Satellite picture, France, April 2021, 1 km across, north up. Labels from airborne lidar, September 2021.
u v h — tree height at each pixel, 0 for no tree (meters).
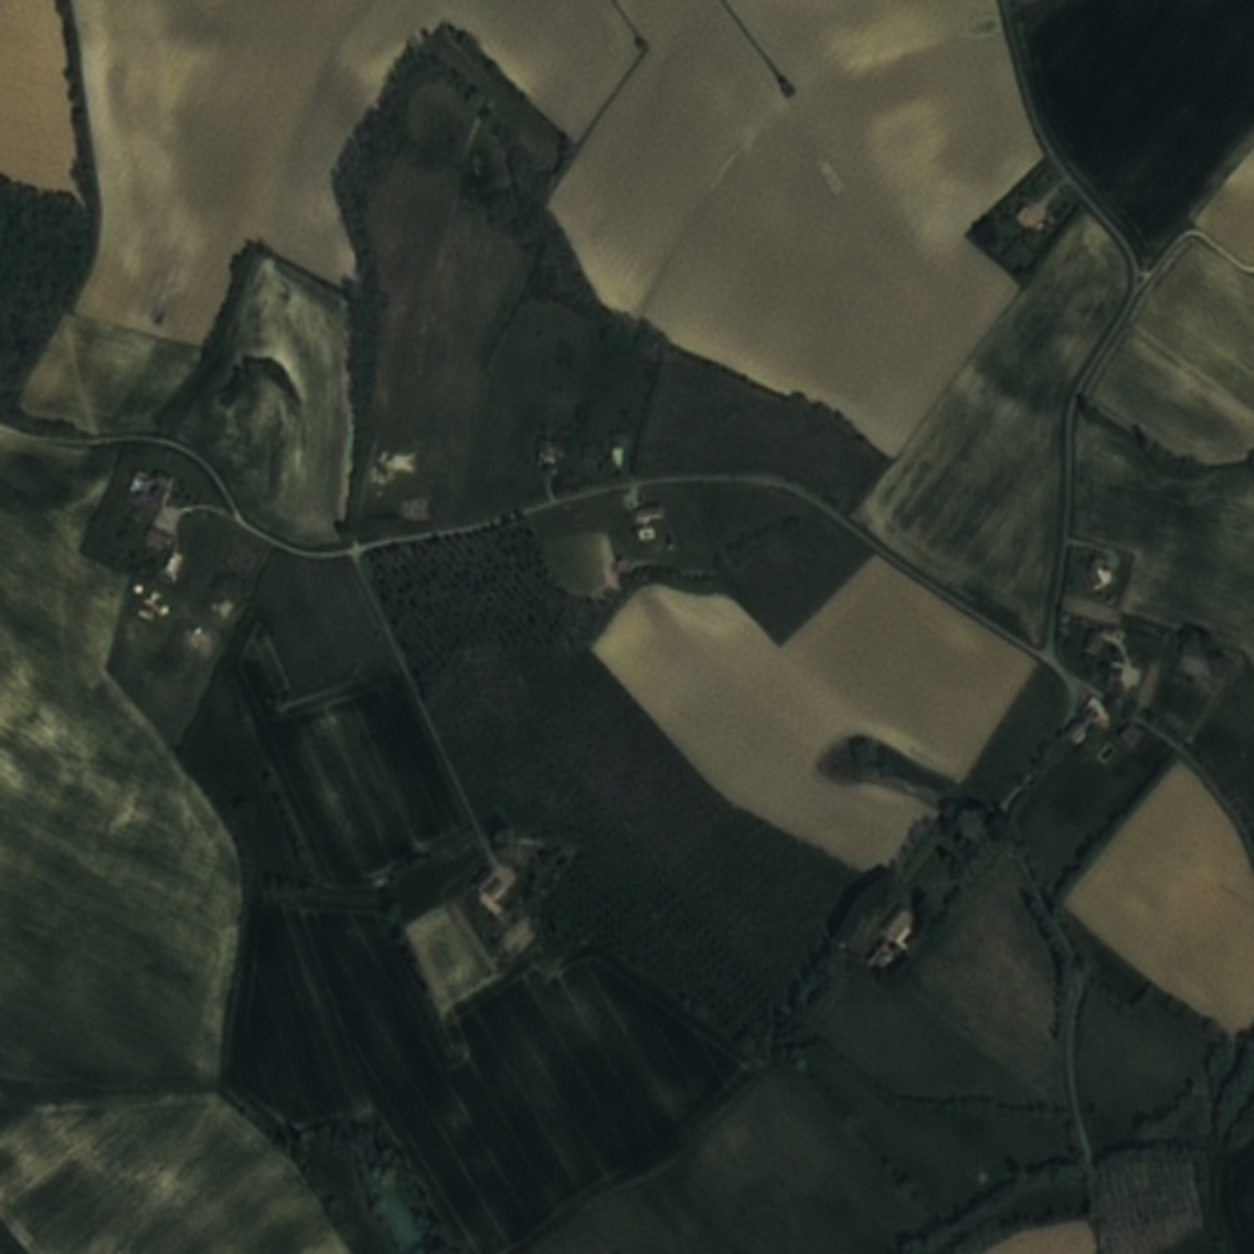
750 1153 0
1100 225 0
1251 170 0
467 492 0
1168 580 0
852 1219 0
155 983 0
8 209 16
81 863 0
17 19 0
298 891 13
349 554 0
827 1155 0
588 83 0
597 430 0
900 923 0
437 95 0
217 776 0
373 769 0
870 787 0
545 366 0
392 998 0
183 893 0
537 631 19
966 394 0
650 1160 0
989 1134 0
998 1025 0
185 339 0
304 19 0
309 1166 8
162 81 0
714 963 12
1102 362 0
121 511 0
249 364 8
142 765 0
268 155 0
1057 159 0
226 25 0
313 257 0
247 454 0
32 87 0
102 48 0
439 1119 0
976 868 29
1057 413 0
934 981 0
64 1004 0
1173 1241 17
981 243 10
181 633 0
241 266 13
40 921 0
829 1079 0
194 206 0
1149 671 0
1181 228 0
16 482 0
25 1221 0
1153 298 0
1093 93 0
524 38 0
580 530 0
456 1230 0
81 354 0
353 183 12
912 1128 0
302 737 0
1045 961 0
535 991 0
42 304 15
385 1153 12
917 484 0
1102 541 0
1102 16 0
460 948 0
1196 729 0
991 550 0
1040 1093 0
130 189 0
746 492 0
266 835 0
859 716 0
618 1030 0
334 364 0
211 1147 0
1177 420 0
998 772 0
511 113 0
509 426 0
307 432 0
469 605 14
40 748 0
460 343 0
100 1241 0
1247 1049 18
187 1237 0
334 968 0
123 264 0
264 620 0
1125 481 0
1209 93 0
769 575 0
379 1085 0
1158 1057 0
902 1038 0
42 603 0
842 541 0
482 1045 0
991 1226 19
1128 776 0
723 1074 0
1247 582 0
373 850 0
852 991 0
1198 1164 15
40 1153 0
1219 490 0
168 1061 0
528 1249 0
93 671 0
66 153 0
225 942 0
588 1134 0
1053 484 0
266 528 0
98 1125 0
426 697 14
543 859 7
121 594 0
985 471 0
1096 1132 0
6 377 16
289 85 0
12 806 0
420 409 0
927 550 0
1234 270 0
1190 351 0
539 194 19
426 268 0
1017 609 0
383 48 0
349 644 0
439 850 0
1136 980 0
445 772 0
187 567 0
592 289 13
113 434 0
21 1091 0
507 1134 0
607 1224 0
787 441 0
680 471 0
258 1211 0
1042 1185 18
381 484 0
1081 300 0
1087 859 13
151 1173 0
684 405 0
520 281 0
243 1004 0
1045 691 0
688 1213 0
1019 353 0
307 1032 0
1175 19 0
